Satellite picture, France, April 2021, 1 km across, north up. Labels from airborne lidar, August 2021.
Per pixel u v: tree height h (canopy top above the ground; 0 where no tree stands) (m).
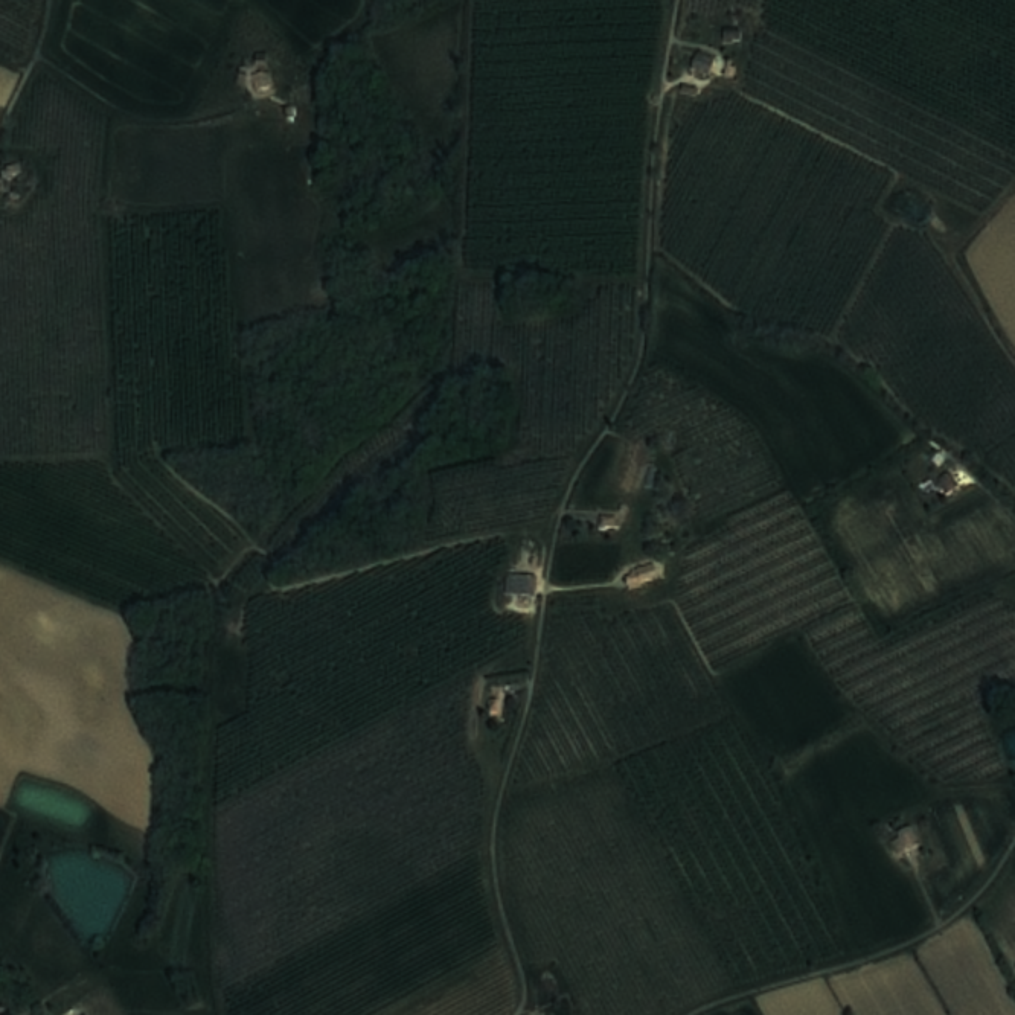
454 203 8
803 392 0
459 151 12
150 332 6
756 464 6
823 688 0
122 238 6
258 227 0
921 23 5
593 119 6
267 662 6
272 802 6
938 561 0
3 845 0
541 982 0
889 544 0
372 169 16
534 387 5
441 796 6
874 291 6
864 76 7
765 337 13
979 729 6
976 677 7
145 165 0
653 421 5
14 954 0
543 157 7
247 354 17
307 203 0
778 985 0
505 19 7
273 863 5
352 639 7
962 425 6
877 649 5
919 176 6
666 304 0
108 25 0
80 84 0
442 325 23
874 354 7
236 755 6
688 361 0
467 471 8
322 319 16
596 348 7
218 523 6
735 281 7
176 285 6
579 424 6
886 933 0
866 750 0
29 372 5
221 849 8
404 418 7
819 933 6
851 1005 0
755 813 6
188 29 0
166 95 0
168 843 21
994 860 0
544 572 0
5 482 6
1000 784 0
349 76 26
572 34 7
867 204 7
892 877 0
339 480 7
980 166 6
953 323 6
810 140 5
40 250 6
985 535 0
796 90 7
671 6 0
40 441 6
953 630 6
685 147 7
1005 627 7
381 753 6
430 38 0
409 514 22
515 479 6
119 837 0
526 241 7
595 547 0
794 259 7
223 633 20
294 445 17
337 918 5
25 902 0
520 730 0
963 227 0
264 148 0
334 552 18
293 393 19
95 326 6
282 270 0
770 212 6
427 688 6
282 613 7
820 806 0
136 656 17
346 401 20
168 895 17
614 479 0
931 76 6
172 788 20
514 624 6
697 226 7
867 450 0
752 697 0
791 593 6
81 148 6
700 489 7
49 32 0
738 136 7
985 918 13
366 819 6
